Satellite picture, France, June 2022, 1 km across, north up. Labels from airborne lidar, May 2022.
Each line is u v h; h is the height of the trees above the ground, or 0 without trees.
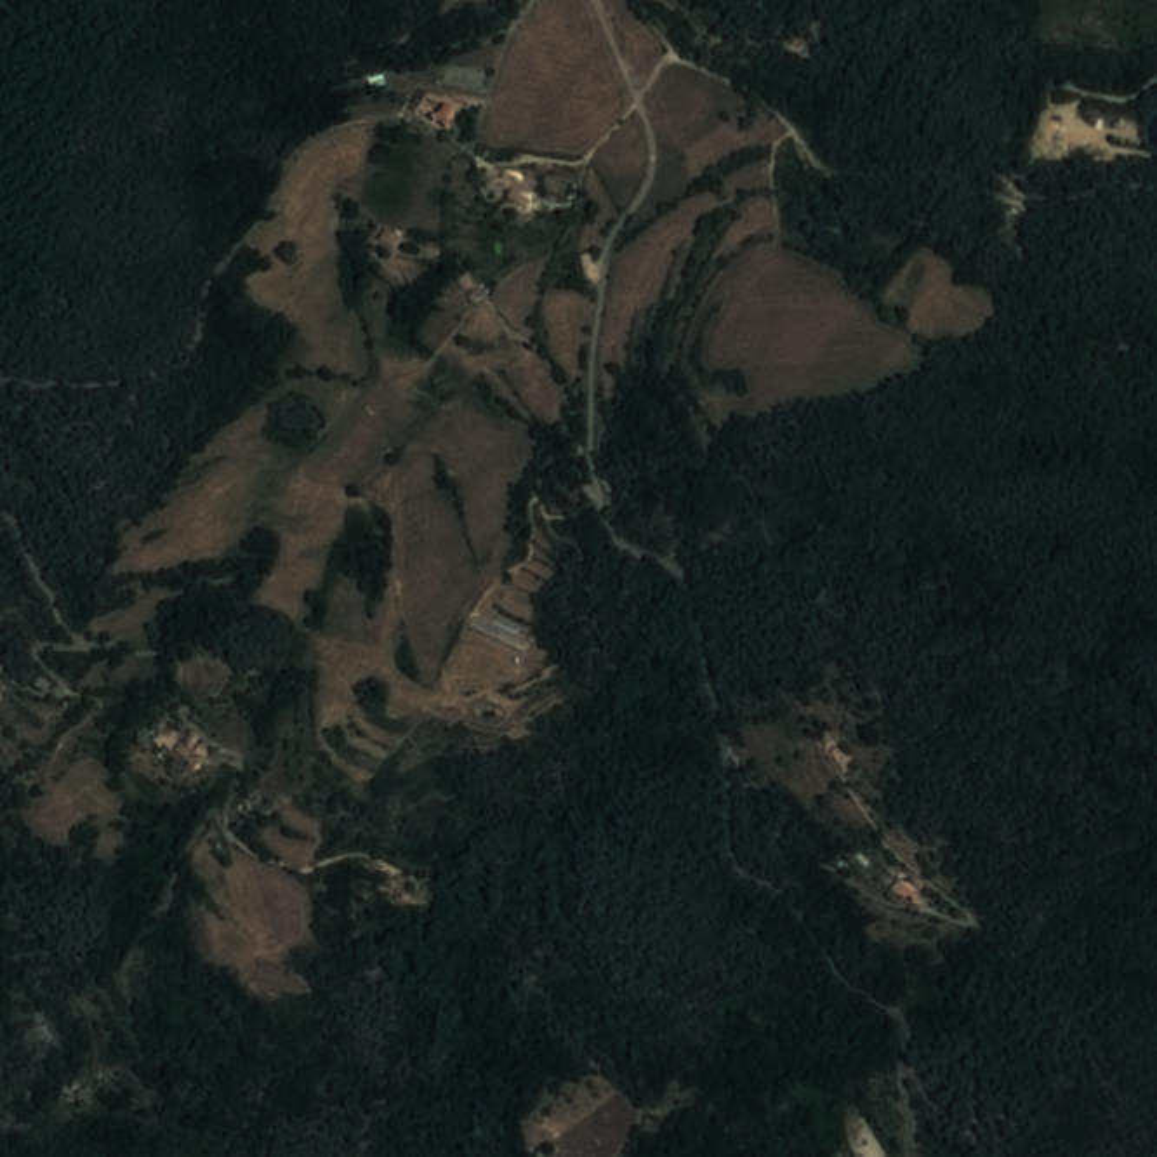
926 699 16
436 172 0
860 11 18
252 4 17
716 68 8
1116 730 15
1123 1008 16
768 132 0
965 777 17
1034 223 22
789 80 15
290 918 0
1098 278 15
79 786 0
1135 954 17
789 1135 8
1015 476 19
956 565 13
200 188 12
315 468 0
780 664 16
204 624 7
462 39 12
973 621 12
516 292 0
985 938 15
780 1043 12
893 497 18
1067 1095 7
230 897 0
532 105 0
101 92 20
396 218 0
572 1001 11
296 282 0
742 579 11
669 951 12
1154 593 21
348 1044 18
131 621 0
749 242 7
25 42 28
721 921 10
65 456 21
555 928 18
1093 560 19
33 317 17
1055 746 11
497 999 9
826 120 12
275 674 9
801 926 14
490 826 15
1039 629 17
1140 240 21
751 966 11
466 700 0
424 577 0
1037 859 18
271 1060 10
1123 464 19
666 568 10
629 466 15
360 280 19
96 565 15
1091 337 9
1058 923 14
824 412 11
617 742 17
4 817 6
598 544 9
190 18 14
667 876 10
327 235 0
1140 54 18
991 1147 12
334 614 0
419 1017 11
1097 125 0
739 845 14
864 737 15
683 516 10
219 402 15
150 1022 7
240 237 15
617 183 0
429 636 0
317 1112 13
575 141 0
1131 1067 14
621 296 0
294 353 0
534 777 7
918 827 11
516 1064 16
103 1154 14
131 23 21
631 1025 8
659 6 9
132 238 19
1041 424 20
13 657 14
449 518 0
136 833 14
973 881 14
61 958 20
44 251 19
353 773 0
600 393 6
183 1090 21
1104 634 15
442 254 8
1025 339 18
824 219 13
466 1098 8
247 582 15
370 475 0
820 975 12
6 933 14
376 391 0
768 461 12
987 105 18
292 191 0
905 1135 0
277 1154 21
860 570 18
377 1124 17
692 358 7
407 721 0
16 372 13
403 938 31
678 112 0
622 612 10
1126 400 21
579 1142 0
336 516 0
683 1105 6
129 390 19
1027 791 15
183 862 14
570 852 13
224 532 0
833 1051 12
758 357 0
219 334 12
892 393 21
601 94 0
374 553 12
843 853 7
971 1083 10
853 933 17
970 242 18
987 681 8
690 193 7
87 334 13
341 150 0
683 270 6
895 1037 7
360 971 11
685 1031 13
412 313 19
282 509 0
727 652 17
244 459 0
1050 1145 12
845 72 11
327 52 11
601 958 15
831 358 0
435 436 0
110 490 10
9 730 8
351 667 0
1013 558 21
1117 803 14
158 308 17
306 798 8
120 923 12
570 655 15
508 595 0
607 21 0
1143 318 17
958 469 17
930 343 9
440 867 13
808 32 21
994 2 18
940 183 23
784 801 16
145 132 12
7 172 27
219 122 16
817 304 0
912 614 19
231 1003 13
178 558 0
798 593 13
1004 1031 11
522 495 10
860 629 15
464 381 0
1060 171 13
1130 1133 10
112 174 17
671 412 9
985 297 0
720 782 15
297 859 0
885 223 8
